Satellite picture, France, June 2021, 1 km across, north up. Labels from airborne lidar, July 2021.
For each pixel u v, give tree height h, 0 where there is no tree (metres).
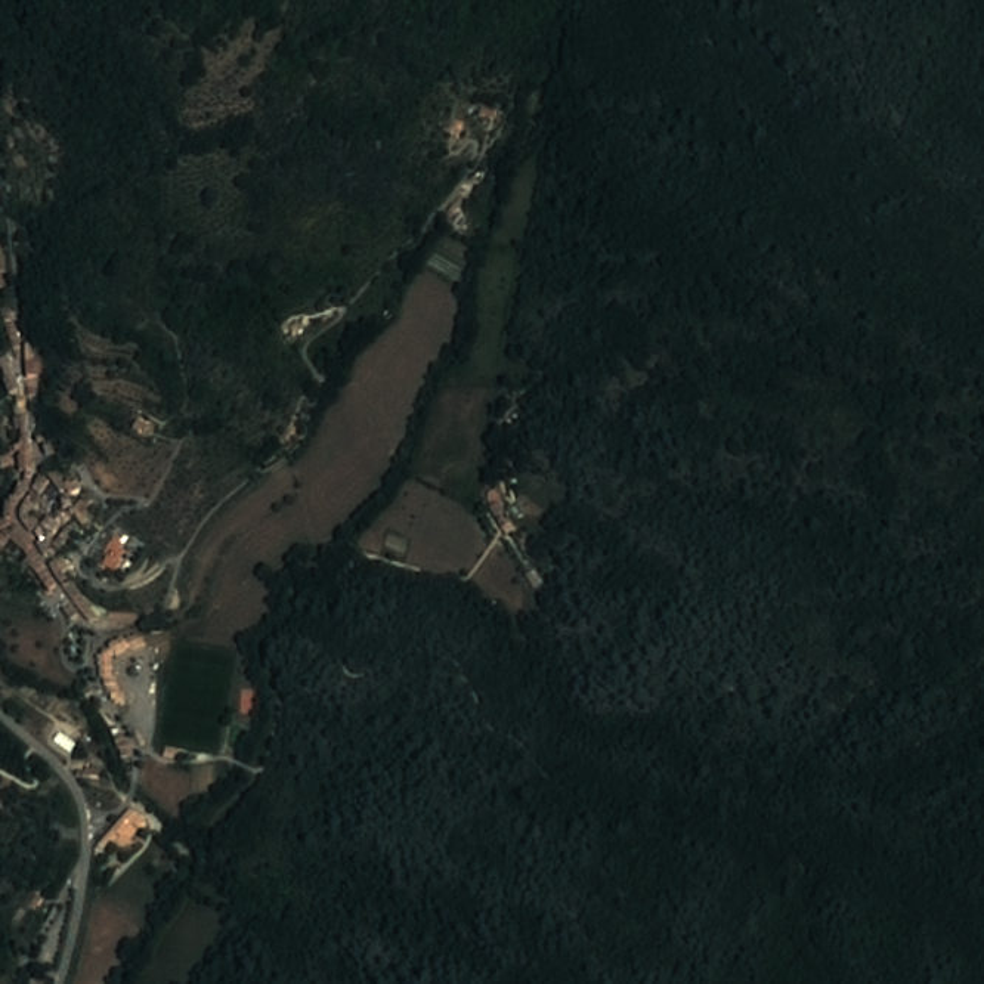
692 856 11
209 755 0
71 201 6
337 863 12
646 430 13
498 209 8
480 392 0
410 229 7
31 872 12
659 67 9
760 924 7
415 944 9
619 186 13
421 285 0
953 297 9
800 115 10
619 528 9
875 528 7
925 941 14
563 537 9
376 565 14
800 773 12
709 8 11
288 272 6
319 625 13
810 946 13
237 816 16
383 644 12
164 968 0
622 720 7
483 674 10
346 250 15
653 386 13
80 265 10
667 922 6
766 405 6
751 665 13
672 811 16
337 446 0
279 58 5
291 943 10
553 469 8
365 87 14
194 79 12
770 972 12
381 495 15
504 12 11
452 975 21
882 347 10
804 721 14
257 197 8
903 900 13
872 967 8
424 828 18
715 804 13
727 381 8
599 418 9
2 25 8
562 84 14
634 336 14
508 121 7
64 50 7
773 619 9
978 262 8
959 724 10
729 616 15
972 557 11
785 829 12
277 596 12
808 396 7
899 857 17
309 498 0
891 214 6
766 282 9
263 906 6
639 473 9
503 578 0
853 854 14
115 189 6
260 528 0
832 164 7
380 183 6
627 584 9
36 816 11
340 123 10
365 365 0
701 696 7
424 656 9
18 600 0
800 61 8
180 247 12
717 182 9
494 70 17
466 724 19
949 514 8
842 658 7
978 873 12
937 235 6
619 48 12
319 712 9
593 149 10
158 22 11
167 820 8
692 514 12
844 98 8
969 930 13
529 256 13
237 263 16
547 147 11
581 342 8
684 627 13
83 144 7
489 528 9
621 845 10
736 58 10
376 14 12
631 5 14
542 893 14
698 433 7
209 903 15
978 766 12
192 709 0
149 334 8
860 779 12
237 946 20
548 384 12
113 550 0
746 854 13
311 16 7
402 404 0
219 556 0
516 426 11
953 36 7
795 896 11
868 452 10
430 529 0
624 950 12
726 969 6
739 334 7
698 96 10
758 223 9
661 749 14
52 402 7
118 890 0
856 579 12
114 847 13
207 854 7
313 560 7
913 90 6
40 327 14
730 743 12
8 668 8
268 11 9
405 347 0
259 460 8
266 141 9
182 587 0
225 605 0
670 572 7
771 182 12
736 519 14
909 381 9
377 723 18
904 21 9
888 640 10
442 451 0
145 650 0
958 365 8
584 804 14
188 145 12
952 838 10
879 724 9
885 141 7
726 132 10
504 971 18
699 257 14
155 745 0
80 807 0
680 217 11
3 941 7
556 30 10
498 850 6
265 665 16
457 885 9
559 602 21
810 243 14
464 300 13
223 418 9
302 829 11
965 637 15
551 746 13
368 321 13
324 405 12
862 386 11
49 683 6
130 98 10
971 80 7
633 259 10
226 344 5
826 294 7
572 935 16
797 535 11
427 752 20
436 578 16
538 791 9
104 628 0
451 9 15
